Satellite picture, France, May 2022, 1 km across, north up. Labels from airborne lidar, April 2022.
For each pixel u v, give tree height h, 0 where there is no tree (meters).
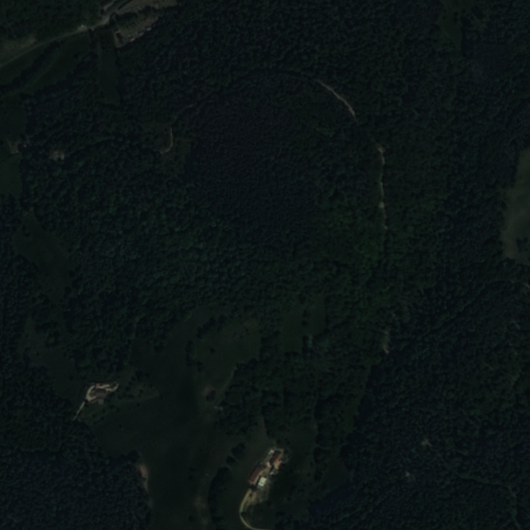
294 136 23
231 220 19
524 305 24
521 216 0
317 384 13
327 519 22
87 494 13
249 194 24
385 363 32
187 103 27
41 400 23
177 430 0
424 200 20
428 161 18
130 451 0
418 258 30
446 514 13
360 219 20
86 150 16
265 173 25
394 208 24
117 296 7
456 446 8
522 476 21
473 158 20
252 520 0
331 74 21
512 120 29
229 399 7
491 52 25
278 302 15
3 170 0
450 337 26
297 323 0
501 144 18
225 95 25
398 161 16
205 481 0
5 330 21
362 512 16
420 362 26
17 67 0
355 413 0
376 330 22
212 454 0
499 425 8
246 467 0
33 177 27
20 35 25
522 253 7
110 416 0
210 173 27
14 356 25
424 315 30
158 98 15
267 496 0
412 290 27
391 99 10
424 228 25
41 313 26
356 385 13
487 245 22
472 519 15
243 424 17
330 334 18
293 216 24
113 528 26
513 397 10
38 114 22
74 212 12
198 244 16
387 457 28
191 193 25
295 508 0
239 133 28
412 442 20
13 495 29
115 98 0
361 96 29
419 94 20
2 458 22
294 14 20
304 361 21
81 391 0
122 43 19
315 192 29
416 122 21
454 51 32
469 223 31
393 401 25
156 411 0
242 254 13
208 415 0
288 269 13
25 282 18
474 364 20
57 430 29
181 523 0
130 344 7
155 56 19
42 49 0
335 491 0
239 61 22
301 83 26
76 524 27
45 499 32
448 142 18
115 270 21
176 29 13
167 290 12
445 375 27
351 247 25
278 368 21
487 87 20
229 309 0
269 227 25
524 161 0
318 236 22
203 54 20
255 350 0
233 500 0
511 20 13
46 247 0
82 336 22
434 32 25
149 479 9
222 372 0
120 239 14
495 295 15
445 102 32
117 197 20
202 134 24
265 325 11
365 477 22
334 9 20
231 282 6
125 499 26
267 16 6
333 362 21
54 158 0
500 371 13
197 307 6
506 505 13
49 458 32
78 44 0
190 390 0
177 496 0
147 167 11
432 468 22
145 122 28
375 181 12
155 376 0
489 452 33
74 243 23
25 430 14
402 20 37
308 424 9
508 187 11
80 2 15
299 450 0
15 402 28
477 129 18
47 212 23
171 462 0
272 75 16
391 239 21
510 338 20
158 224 18
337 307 12
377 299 21
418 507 19
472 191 20
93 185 21
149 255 20
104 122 19
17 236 0
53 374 0
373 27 20
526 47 15
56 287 0
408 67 18
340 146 18
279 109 18
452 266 26
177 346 0
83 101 17
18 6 18
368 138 20
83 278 6
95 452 11
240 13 8
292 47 10
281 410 27
